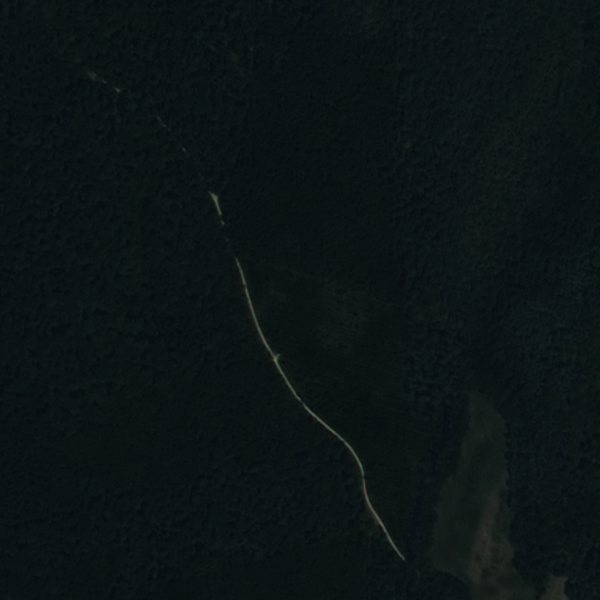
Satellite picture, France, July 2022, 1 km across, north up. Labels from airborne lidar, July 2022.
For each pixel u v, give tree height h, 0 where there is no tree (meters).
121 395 23
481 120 23
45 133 31
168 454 20
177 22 27
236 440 20
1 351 30
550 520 20
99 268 20
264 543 17
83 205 28
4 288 23
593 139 16
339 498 22
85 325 28
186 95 33
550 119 19
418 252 18
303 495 23
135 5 27
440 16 20
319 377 10
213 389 21
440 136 24
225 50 29
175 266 26
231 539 24
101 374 28
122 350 28
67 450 19
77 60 25
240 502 25
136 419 19
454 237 14
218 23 18
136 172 32
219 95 27
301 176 18
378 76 17
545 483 26
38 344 31
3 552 27
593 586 28
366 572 10
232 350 22
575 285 11
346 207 17
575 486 20
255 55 21
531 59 19
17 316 30
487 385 26
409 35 19
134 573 27
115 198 25
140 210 27
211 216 28
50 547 27
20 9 32
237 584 12
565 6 20
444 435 6
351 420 9
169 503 26
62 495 20
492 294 22
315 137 21
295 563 14
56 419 21
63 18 26
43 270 30
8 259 28
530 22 18
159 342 32
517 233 19
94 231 25
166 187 17
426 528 23
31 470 19
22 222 30
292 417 22
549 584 21
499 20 20
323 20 21
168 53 22
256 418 20
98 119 31
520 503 18
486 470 0
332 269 17
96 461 19
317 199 15
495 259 16
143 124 28
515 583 0
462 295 16
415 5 15
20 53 26
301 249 20
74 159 30
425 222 11
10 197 26
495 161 8
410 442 6
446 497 0
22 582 26
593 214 16
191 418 14
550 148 21
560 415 22
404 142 18
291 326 5
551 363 15
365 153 7
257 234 21
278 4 17
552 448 24
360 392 6
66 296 28
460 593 25
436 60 22
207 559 23
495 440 0
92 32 26
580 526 16
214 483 24
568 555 27
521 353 11
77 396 26
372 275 14
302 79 23
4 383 26
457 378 19
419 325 20
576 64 26
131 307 20
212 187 15
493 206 9
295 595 13
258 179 21
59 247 26
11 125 25
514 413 17
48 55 29
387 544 25
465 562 0
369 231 14
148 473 20
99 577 28
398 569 26
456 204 19
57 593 30
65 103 26
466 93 22
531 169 16
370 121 16
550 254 20
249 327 22
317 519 23
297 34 26
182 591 25
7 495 19
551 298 22
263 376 21
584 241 14
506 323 25
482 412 0
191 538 23
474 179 17
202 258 28
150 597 26
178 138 27
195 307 25
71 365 29
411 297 18
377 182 12
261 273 6
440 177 20
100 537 24
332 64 22
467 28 22
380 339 8
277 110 18
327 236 21
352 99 14
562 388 17
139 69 28
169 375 24
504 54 19
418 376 19
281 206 18
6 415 28
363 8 17
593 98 21
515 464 19
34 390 24
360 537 19
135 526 25
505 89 16
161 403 23
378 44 20
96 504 23
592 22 12
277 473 21
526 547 15
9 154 9
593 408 26
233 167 21
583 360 16
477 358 18
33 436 19
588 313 23
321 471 23
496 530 0
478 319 19
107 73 26
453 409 22
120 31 29
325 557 14
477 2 18
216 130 23
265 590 14
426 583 24
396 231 16
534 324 20
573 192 22
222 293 29
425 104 15
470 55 21
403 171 23
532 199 16
